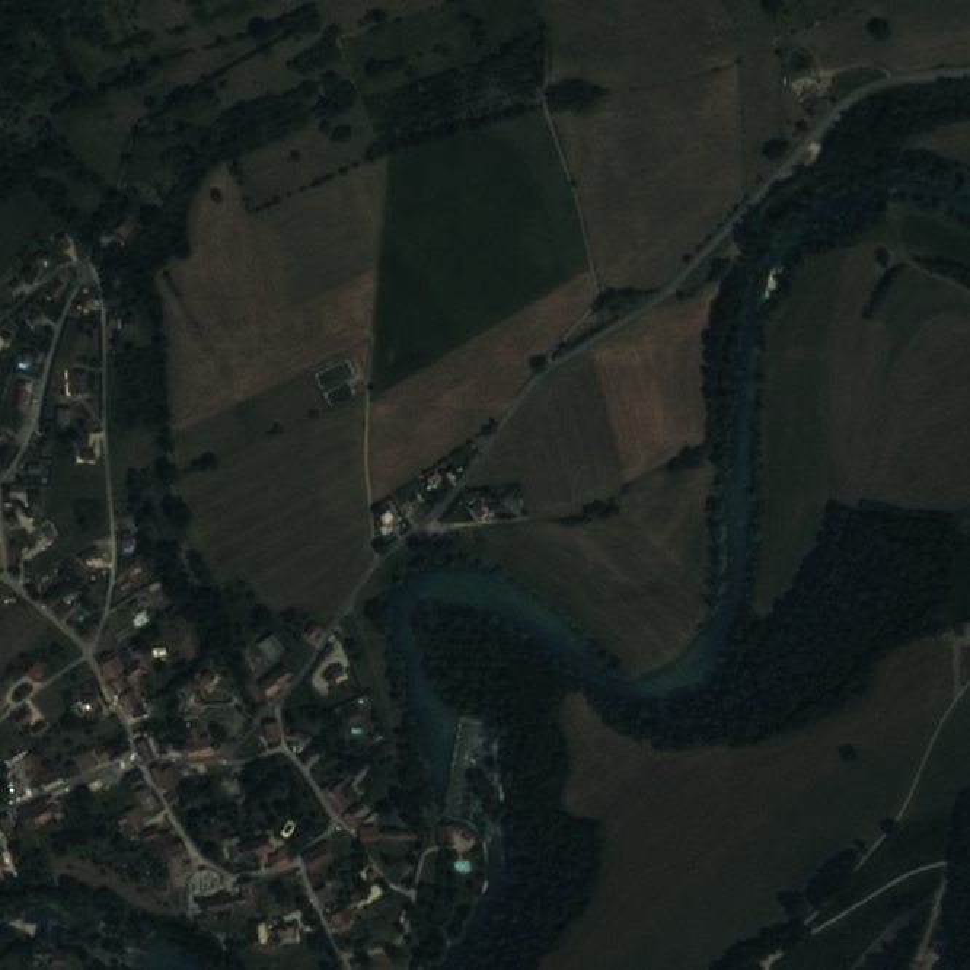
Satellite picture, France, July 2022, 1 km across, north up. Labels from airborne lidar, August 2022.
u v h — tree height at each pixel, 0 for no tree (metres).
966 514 0
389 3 0
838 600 22
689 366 0
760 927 0
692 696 20
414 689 0
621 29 0
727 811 0
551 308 0
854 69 0
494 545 0
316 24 8
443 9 0
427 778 17
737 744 10
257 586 0
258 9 0
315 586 0
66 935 11
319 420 0
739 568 0
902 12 0
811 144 0
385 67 8
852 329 0
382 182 0
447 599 0
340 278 0
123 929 15
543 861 23
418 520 0
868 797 0
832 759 0
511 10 0
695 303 0
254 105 6
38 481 7
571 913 23
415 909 19
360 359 0
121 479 0
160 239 9
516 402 0
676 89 0
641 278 0
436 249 0
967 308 0
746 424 0
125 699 0
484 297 0
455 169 0
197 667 7
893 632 12
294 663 0
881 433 0
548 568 0
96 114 0
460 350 0
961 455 0
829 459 0
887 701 0
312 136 0
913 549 21
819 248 27
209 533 0
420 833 9
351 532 0
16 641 0
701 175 0
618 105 0
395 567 0
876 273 0
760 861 0
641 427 0
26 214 0
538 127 0
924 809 0
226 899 0
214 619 21
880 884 0
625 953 0
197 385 0
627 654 0
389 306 0
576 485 0
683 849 0
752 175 0
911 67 0
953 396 0
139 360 7
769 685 15
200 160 7
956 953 22
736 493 0
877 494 0
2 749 0
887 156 14
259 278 0
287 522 0
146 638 8
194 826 11
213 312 0
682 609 0
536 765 27
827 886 21
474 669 15
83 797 17
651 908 0
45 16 9
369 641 0
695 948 0
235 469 0
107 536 0
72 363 0
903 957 24
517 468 0
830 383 0
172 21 0
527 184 0
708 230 0
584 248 0
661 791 0
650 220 0
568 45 0
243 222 0
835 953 0
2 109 8
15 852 11
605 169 0
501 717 8
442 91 7
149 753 0
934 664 0
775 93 0
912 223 0
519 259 0
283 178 0
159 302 9
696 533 0
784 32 0
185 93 13
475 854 7
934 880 0
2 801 6
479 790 15
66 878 11
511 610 0
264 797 11
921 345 0
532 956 24
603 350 0
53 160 13
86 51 0
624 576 0
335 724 8
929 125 16
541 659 13
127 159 11
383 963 0
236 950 10
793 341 0
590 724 0
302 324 0
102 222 14
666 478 0
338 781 0
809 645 22
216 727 11
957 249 0
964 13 0
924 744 0
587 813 0
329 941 6
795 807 0
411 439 0
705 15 0
